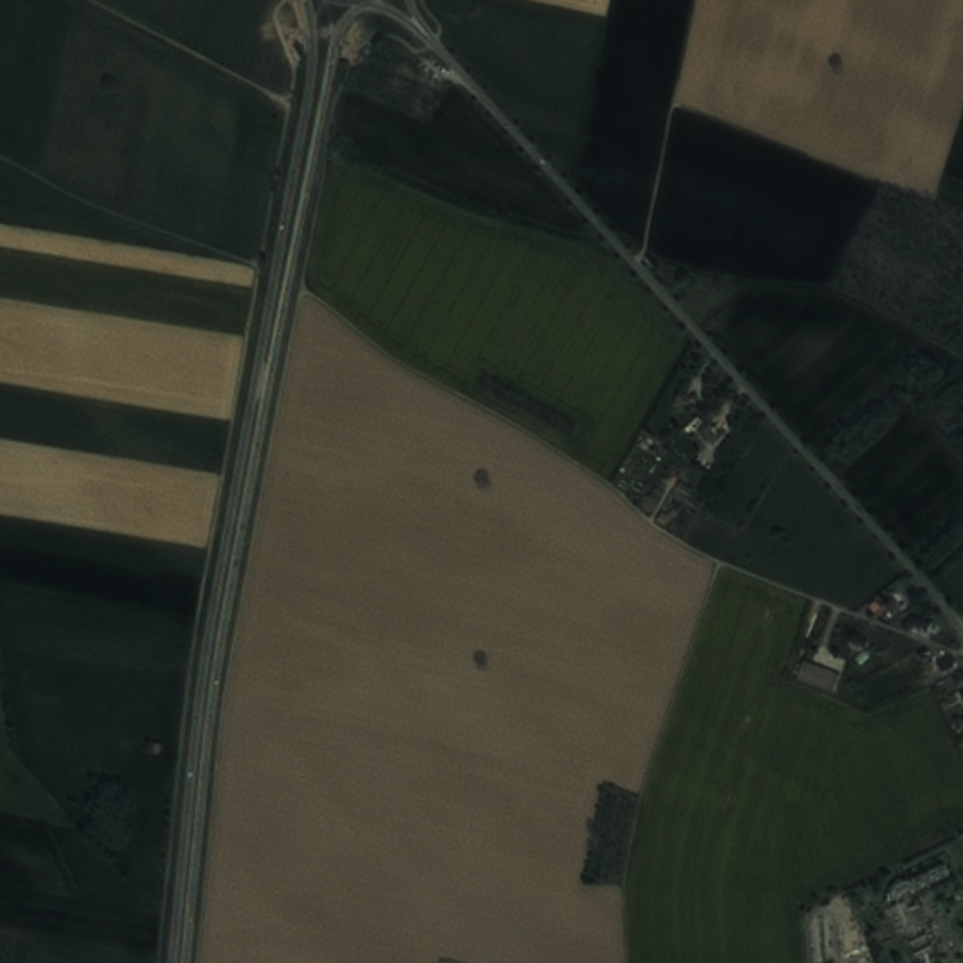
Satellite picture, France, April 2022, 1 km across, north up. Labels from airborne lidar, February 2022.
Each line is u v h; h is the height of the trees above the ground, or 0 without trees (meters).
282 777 0
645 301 0
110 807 20
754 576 0
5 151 0
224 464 0
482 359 0
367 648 0
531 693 0
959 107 0
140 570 0
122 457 0
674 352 0
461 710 0
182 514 0
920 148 0
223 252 0
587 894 0
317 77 0
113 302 0
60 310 0
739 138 0
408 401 0
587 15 0
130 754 0
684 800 0
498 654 0
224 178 0
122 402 0
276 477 0
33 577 0
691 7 0
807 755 0
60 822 0
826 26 0
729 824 0
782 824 0
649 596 0
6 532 0
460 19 0
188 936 0
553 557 0
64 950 0
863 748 0
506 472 0
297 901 0
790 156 0
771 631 0
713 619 0
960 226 16
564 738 0
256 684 0
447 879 0
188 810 0
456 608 0
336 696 0
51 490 0
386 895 0
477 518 0
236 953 0
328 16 0
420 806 0
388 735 0
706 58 0
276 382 0
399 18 0
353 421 0
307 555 0
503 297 0
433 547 0
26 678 0
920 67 0
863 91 0
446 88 9
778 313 0
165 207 0
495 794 0
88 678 0
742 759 0
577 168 0
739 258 0
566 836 0
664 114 0
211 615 0
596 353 0
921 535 0
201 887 0
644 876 0
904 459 0
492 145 0
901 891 0
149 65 0
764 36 0
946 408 13
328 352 0
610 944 0
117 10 0
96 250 0
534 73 0
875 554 0
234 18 0
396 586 0
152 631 0
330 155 9
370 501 0
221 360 0
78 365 0
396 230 0
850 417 0
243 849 0
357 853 0
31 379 0
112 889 0
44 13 0
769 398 0
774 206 0
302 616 0
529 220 0
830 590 0
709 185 0
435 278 0
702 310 0
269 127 0
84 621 0
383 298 0
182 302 0
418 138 0
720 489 6
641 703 0
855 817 0
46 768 0
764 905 0
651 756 0
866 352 0
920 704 0
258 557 0
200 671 0
